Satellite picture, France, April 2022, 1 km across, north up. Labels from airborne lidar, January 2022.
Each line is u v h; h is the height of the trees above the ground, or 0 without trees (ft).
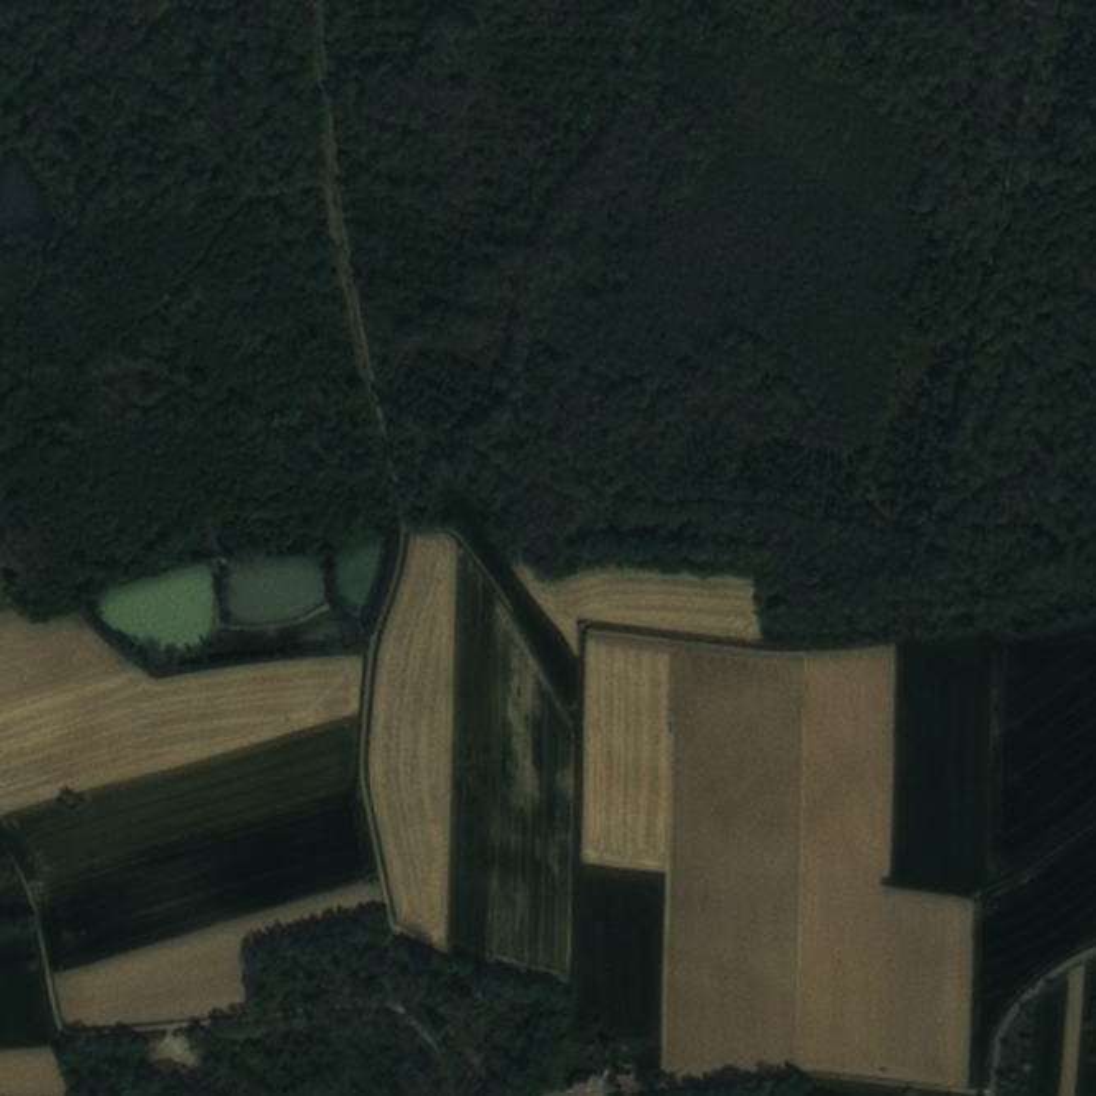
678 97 80
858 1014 0
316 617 0
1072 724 0
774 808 0
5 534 107
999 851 0
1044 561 115
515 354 77
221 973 0
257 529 30
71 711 0
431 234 30
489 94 67
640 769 0
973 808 0
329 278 89
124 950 0
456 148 75
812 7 104
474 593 0
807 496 64
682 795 0
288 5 95
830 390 77
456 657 0
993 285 88
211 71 106
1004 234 66
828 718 0
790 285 66
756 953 0
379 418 0
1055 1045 0
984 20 111
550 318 65
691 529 85
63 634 0
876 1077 0
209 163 74
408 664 0
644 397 89
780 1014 0
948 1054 0
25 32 89
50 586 50
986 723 0
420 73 77
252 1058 45
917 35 103
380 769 0
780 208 67
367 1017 28
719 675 0
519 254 87
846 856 0
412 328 80
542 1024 83
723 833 0
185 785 0
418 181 68
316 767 0
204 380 109
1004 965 0
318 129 91
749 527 93
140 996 0
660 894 0
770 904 0
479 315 77
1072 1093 0
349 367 34
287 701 0
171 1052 0
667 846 0
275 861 0
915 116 67
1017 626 47
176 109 99
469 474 82
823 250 70
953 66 100
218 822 0
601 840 0
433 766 0
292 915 0
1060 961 0
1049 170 103
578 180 89
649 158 79
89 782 0
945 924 0
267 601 0
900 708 0
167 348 59
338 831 0
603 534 72
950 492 93
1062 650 0
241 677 0
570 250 115
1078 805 0
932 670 0
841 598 102
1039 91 119
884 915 0
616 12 75
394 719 0
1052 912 0
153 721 0
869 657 0
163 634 0
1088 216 75
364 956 110
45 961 0
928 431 59
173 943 0
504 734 0
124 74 99
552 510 85
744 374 93
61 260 68
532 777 0
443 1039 102
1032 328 96
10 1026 0
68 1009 0
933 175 86
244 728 0
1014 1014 0
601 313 69
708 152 90
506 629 0
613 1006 0
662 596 0
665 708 0
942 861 0
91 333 55
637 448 81
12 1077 0
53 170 68
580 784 0
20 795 0
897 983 0
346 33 61
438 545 0
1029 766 0
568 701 0
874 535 69
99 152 98
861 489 38
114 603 0
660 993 0
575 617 0
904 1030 0
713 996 0
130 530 91
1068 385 91
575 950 0
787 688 0
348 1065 107
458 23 85
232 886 0
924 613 87
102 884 0
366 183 66
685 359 57
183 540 24
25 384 98
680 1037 0
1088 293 96
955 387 62
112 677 0
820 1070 0
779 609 81
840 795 0
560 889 0
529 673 0
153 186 83
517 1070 101
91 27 98
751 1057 0
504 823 0
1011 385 93
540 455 79
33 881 0
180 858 0
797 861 0
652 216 67
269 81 88
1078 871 0
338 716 0
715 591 0
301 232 31
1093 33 70
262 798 0
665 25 73
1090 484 98
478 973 24
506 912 0
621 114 68
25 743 0
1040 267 78
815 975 0
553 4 67
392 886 0
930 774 0
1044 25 101
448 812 0
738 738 0
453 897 0
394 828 0
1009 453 92
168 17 95
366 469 96
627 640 0
